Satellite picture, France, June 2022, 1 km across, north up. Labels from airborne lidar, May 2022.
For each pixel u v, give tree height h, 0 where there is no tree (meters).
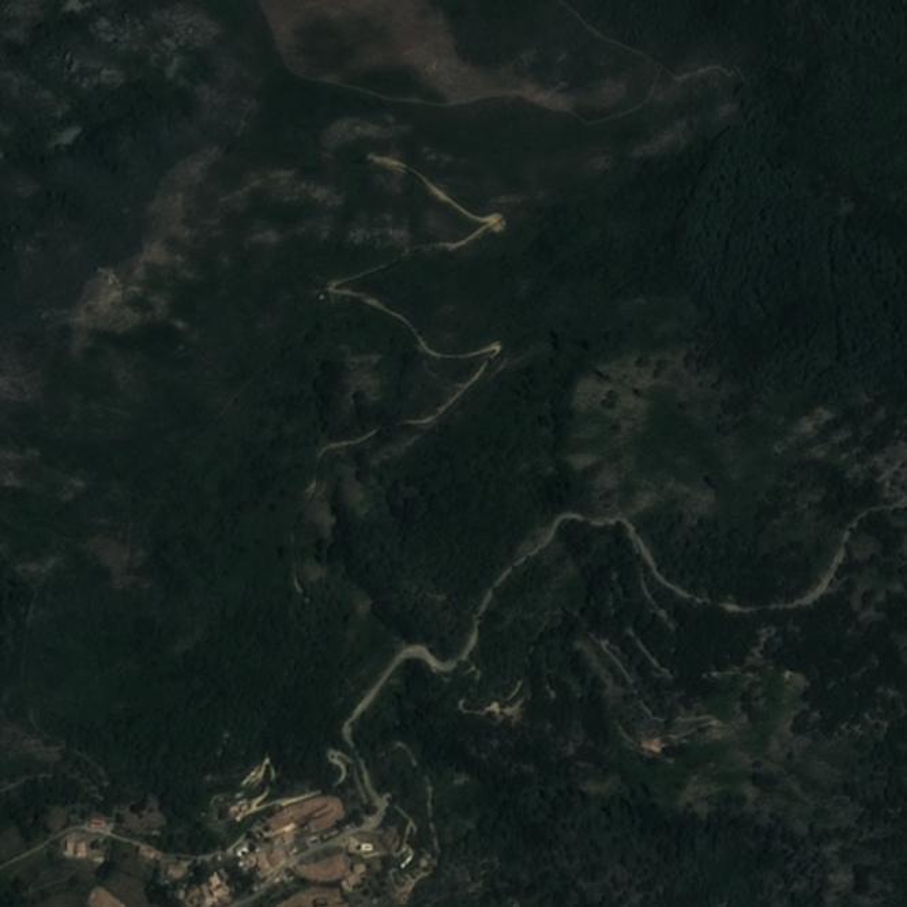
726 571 13
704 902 12
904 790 12
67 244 0
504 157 0
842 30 20
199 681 10
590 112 0
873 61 14
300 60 0
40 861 0
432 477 9
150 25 0
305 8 0
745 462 0
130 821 0
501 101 0
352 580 12
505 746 9
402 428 7
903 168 12
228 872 6
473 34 0
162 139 0
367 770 7
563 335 12
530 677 11
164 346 0
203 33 0
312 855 0
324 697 12
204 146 0
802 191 20
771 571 13
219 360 0
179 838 7
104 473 0
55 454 0
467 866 7
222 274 0
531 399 12
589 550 12
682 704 12
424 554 10
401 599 10
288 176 0
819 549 9
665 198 6
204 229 0
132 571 0
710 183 20
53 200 7
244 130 0
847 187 11
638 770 0
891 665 16
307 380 13
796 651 14
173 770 9
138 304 0
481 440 8
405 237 0
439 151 0
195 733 11
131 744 7
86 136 7
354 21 0
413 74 0
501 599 14
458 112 0
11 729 0
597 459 0
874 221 21
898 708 13
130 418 0
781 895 13
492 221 0
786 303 14
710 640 16
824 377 17
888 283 18
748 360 10
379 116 0
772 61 8
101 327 0
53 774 7
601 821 9
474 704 8
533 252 7
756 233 25
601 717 20
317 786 8
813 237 23
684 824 18
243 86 0
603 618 15
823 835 9
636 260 6
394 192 0
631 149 0
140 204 0
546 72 0
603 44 0
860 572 7
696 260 18
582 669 18
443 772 14
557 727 9
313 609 9
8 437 0
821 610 12
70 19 9
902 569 15
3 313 0
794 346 14
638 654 13
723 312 18
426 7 0
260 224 0
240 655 13
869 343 21
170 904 12
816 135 14
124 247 0
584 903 15
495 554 13
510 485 9
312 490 0
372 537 14
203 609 0
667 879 12
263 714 14
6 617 8
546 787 14
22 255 0
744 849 15
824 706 13
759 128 19
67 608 0
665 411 0
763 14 9
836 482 10
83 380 0
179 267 0
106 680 0
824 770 0
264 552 0
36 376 0
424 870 7
